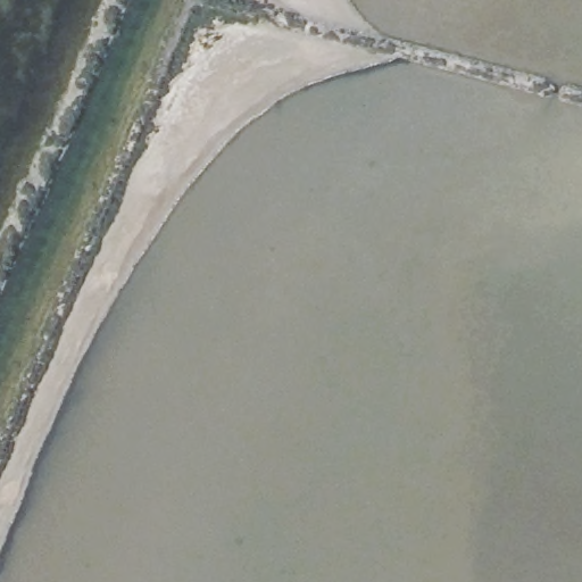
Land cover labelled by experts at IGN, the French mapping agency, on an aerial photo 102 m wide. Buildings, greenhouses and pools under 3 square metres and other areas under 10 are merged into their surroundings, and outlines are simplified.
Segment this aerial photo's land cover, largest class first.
<instances>
[{"label":"water","instance_id":"1","mask_svg":"<svg viewBox=\"0 0 582 582\"><path fill-rule=\"evenodd\" d=\"M100 0H0V225L7 223L14 230H18L11 236V266L2 273L7 284L0 293V414L11 389V382L23 366L27 343L36 334L39 316L48 298L57 291V282L61 280L66 257L73 252V239L77 234V227L73 225L75 214L89 207L98 189V180L107 166V159L114 157L120 123L125 120L134 91L148 68L150 50L171 14L173 0H116V5L107 11L105 18L107 27L111 30V39H102L98 43L95 75L86 82L84 95L77 98L75 105L77 109L68 127V150L61 159H57L55 155L50 157V164L43 171L45 186H41L36 200H23L20 216L9 211L11 200L16 196V184L20 177L30 175V164L39 148L41 134L50 125L61 95L68 89V80L77 57L82 43L86 41L91 32V18L98 11ZM350 7L384 39L398 41L411 48L439 50L471 61L493 64L516 75L541 77V82L555 77L562 86L573 89L577 82H582V0H348ZM0 582H582V111L559 102V95H543L532 98L509 86L482 84L464 75H455L450 70H439V66L430 64L423 68L418 64H411V59L407 57L346 70L318 80L314 84L300 86L289 95L280 98L264 116L248 123L225 143V148L191 182L180 202L173 207L171 216L166 218L157 236L150 241L141 259L134 264L127 282L118 289V296L107 309V316L98 325L86 352L82 355L73 373L70 386L59 405L52 427L34 459L20 507L0 548Z\"/></svg>","mask_w":582,"mask_h":582},{"label":"pervious surface","instance_id":"2","mask_svg":"<svg viewBox=\"0 0 582 582\"><path fill-rule=\"evenodd\" d=\"M116 5V0H100L98 11L91 18V32L86 41L98 43L102 39H111V30L107 27L105 18L107 11ZM298 11L305 18V27L280 32L268 23L227 25L223 20H214L211 27L196 30L189 59L182 66V73L171 82V89L161 100V107L155 116L157 132L148 136V148L130 175L120 209L102 239V250L95 257L86 275V282L77 293L70 318L64 325L57 352L36 389V396L27 411V421L20 434L16 437L11 459L0 480V548L20 507L34 459L52 427L59 405L70 386L73 373L82 355L86 352L98 325L107 316V309L118 296V289L127 282L134 264L141 259L150 241L157 236L166 218L171 216L173 207L180 202L191 182L225 148V143L248 123L264 116L280 98L289 95L300 86L314 84L318 80L346 70L407 57L411 59V64H418L423 68L430 64L439 66V70H450L455 66L471 68V61L439 50L411 48L398 41L393 52H368L366 48H357L350 43L318 39V30L334 32L336 27H350L361 36H371L375 41L384 39L350 7L348 0H264ZM86 61L77 57L68 80V89L61 95L50 125L55 134H59L68 109L75 105L77 98L84 95L86 82ZM541 82V77L516 75L509 77V86L532 98L543 95V91H537L532 86ZM559 102L582 111V82H577L573 89L562 86L559 95Z\"/></svg>","mask_w":582,"mask_h":582},{"label":"brushwood","instance_id":"3","mask_svg":"<svg viewBox=\"0 0 582 582\"><path fill-rule=\"evenodd\" d=\"M214 20H223L227 25L268 23L280 32L305 27V18L298 11L264 0H173L171 14L150 50L148 68L134 91L125 120L120 123L114 157L107 159V166L98 180V189L89 207L75 214L73 225L77 227V234L73 239V252L66 257L61 280L57 282V291L48 298L39 316L36 334L27 343L23 366L11 382V389L0 414V480L11 459L16 437L20 434L27 421V411L36 396V389L57 352L64 325L70 318L77 293L86 282V275L95 257L102 250V239L120 209L130 175L148 148V136L157 132L155 116L161 107V100L171 89V82L182 73V66L189 59L196 30L211 27ZM318 39L350 43L357 48H366L368 52H393L398 41L384 39L375 41L371 36H361L350 27H336L334 32L318 30ZM98 43L86 41L82 43L77 57L86 61V82L95 75ZM455 75H464L482 84L509 86V77L516 75L493 64L471 61V68L455 66L450 70ZM532 86L537 91H543V95H559L562 86L555 77L541 82ZM77 109L75 105L68 109L59 134H55L50 125L41 134L39 148L30 164V175L20 177L16 184V196L11 200L9 211L20 216L23 200H36L41 186H45L43 171L50 164V157L55 155L57 159H61L68 150V127ZM18 230H14L7 223L0 225V293L7 284L2 273L11 266V236Z\"/></svg>","mask_w":582,"mask_h":582}]
</instances>
